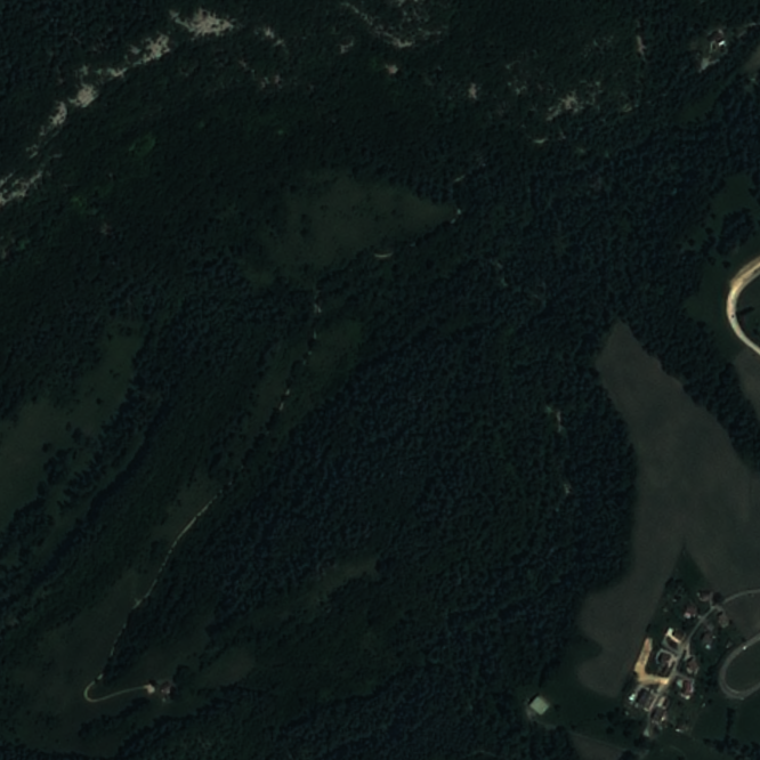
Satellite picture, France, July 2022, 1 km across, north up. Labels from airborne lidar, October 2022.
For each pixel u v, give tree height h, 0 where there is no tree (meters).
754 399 0
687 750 0
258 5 14
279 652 9
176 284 23
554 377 24
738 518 0
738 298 0
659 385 0
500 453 15
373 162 24
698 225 26
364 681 8
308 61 20
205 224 8
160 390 21
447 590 25
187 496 0
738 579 0
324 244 0
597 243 33
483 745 31
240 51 20
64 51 17
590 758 0
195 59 20
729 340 0
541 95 14
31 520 21
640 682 0
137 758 19
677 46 19
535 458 15
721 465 0
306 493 29
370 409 20
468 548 28
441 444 15
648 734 0
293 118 28
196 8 11
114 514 17
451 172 7
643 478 0
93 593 12
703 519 0
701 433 0
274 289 6
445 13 14
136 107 15
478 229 20
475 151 22
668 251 30
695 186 31
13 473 0
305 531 19
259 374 12
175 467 22
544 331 29
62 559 21
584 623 0
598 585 24
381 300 25
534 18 20
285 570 13
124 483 23
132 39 10
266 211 6
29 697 7
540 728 11
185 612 20
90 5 23
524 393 27
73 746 0
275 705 23
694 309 0
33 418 0
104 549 18
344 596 26
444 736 28
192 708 0
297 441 21
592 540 31
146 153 23
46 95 15
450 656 22
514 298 18
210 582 20
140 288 25
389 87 24
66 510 23
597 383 8
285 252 0
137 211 28
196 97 12
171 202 29
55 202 18
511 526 24
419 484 18
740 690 0
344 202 0
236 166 32
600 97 13
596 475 30
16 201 14
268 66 18
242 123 19
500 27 13
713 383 32
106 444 23
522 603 10
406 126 30
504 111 15
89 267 36
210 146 28
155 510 20
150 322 30
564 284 30
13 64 25
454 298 21
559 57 11
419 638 22
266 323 19
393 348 25
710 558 0
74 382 19
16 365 25
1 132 18
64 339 30
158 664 0
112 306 23
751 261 0
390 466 18
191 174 28
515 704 23
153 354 24
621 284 26
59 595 16
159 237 26
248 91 14
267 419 0
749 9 8
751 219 21
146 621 9
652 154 20
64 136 23
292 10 17
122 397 0
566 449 17
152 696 0
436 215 0
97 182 22
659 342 28
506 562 20
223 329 20
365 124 28
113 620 0
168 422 27
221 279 24
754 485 0
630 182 30
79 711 0
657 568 0
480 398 23
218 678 0
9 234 12
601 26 13
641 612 0
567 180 30
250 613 20
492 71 20
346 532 30
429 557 19
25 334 32
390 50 20
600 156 6
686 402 0
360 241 0
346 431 20
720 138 24
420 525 6
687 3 14
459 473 33
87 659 0
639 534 0
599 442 33
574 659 0
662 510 0
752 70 0
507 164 27
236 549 17
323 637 23
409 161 26
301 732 30
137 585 0
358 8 8
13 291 28
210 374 20
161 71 19
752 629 0
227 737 10
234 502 16
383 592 23
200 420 20
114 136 18
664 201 34
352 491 21
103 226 34
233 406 24
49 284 35
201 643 0
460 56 17
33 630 13
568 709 0
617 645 0
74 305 33
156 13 15
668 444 0
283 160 27
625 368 0
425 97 24
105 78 10
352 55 22
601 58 26
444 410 10
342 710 17
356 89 27
